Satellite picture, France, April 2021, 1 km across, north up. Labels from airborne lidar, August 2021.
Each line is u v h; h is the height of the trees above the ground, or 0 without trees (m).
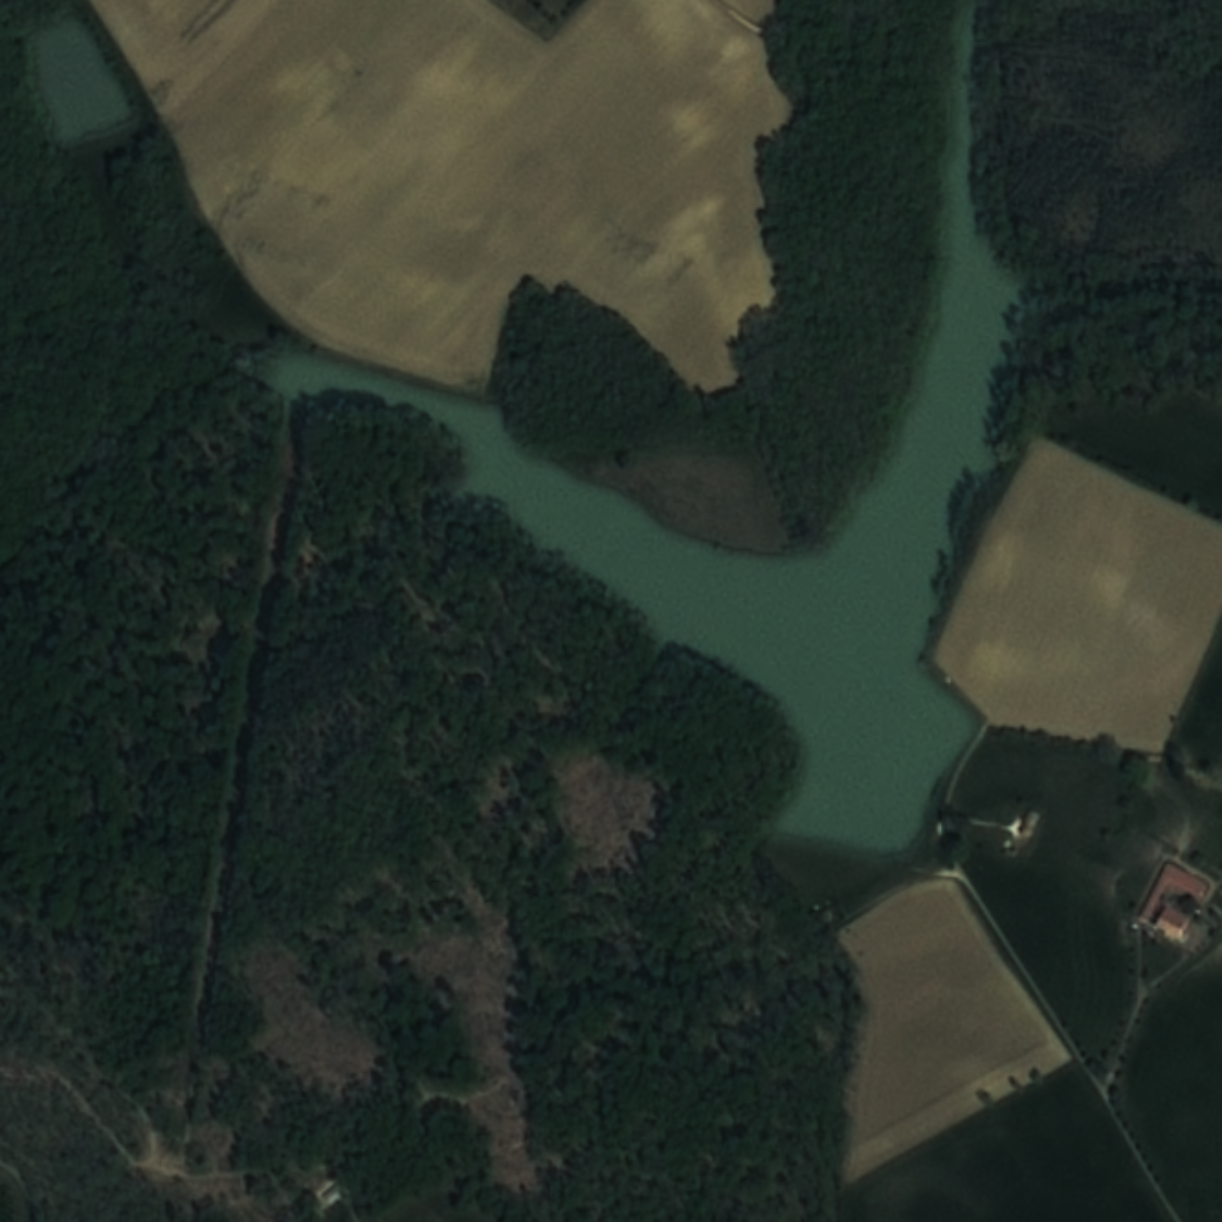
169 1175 0
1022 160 11
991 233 17
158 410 19
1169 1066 0
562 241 0
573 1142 25
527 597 28
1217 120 9
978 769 0
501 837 25
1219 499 0
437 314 0
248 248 0
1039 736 7
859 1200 0
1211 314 25
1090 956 0
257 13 0
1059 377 23
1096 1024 0
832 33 25
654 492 0
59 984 14
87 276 27
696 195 0
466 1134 20
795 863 0
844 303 19
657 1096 22
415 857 22
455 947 0
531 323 6
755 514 0
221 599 27
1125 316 30
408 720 21
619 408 12
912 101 28
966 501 18
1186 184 9
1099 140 8
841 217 21
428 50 0
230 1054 20
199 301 15
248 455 23
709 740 27
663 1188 13
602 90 0
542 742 27
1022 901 0
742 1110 27
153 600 24
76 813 9
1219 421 0
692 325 0
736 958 27
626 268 0
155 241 12
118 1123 15
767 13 0
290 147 0
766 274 0
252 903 19
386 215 0
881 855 0
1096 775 0
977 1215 0
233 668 30
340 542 31
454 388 0
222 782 27
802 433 19
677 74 0
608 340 14
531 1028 26
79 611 25
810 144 17
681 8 0
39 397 23
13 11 21
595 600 16
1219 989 0
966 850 17
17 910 24
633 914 21
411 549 29
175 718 28
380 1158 25
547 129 0
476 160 0
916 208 27
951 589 10
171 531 28
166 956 7
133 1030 8
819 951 14
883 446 17
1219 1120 0
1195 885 0
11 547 27
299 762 10
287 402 11
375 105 0
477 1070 20
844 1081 19
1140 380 18
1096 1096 0
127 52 0
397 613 27
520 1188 0
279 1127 13
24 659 24
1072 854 0
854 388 21
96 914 26
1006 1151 0
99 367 26
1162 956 0
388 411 9
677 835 24
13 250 20
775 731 24
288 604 29
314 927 24
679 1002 29
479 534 17
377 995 21
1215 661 0
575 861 26
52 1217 22
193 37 0
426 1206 0
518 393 14
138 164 16
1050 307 22
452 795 21
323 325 0
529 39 0
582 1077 23
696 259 0
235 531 26
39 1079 17
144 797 25
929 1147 0
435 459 15
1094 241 10
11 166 20
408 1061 17
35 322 24
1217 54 16
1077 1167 0
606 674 26
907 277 24
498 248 0
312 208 0
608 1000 25
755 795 24
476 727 23
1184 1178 0
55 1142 19
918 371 7
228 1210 18
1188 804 0
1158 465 0
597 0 0
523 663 28
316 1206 20
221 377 22
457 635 26
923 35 25
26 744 23
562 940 25
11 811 11
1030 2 18
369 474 23
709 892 24
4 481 27
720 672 14
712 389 0
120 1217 17
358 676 24
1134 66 11
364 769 21
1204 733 0
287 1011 0
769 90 0
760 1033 30
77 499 24
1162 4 19
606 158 0
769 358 22
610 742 29
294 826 19
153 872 25
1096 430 0
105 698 23
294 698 24
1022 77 11
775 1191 24
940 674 0
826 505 16
